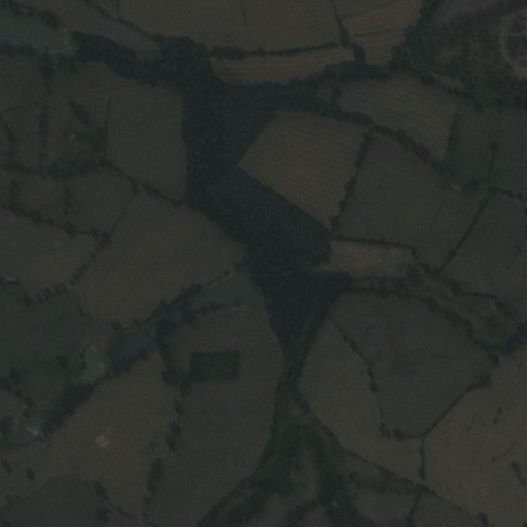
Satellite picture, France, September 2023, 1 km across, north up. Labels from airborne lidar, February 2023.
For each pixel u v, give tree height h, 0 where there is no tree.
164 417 0
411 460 0
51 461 0
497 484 0
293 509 0
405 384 0
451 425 0
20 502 0
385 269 0
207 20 0
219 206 21
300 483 0
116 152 0
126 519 0
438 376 0
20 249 0
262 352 0
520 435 0
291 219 21
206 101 18
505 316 14
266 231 29
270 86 10
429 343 0
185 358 0
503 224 0
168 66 7
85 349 0
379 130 12
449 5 0
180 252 0
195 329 0
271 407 0
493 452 0
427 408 0
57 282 0
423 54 18
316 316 0
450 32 11
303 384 0
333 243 0
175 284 0
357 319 0
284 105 16
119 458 0
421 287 0
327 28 0
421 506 0
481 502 0
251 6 0
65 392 0
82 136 0
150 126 0
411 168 0
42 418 0
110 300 0
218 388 0
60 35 0
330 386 0
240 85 0
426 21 9
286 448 0
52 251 0
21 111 0
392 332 0
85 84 0
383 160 0
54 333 0
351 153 0
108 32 0
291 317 20
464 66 0
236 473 0
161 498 0
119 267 0
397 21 0
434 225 0
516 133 0
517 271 0
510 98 0
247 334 0
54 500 0
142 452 0
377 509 0
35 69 0
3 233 0
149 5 0
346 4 0
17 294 0
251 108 23
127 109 0
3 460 0
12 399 0
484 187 0
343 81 12
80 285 0
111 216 0
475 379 0
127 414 0
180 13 0
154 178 0
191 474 0
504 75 0
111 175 0
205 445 0
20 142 0
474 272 0
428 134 0
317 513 0
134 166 0
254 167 0
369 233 0
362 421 0
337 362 0
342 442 0
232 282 0
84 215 0
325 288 19
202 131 23
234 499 0
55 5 0
